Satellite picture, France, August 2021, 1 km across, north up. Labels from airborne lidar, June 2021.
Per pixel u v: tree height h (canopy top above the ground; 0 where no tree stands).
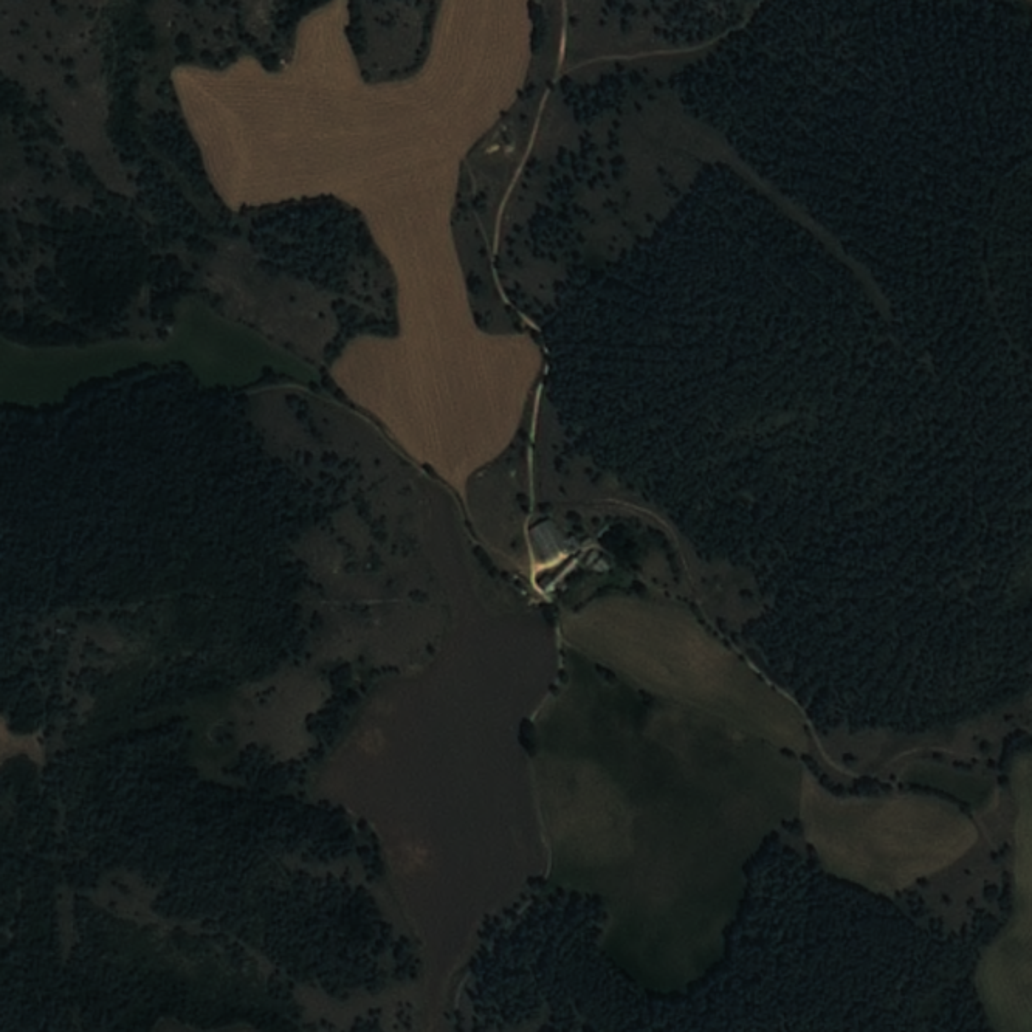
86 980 11
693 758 0
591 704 0
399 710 0
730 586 0
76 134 0
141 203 12
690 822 0
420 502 0
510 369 0
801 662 14
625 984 16
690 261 10
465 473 0
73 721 9
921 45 16
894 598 15
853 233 15
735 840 0
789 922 12
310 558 0
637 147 0
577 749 0
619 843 0
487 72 0
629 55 0
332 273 8
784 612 15
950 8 10
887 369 12
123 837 16
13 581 7
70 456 19
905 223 11
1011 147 17
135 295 13
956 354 14
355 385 0
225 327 0
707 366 15
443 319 0
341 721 17
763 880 10
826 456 14
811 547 16
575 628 0
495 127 0
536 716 0
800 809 0
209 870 10
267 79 0
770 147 8
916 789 10
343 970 12
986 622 14
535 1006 14
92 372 0
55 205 7
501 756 0
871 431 11
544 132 0
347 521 0
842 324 13
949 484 14
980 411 10
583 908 14
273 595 12
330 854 6
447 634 0
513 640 0
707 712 0
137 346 0
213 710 0
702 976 0
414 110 0
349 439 0
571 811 0
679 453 11
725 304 12
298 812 13
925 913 10
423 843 0
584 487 0
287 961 7
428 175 0
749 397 14
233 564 9
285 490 18
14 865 7
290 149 0
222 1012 5
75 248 8
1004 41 16
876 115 12
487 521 0
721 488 15
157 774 10
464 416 0
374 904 11
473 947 0
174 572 6
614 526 9
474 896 0
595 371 10
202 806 13
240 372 0
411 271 0
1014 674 12
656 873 0
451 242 0
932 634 13
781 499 16
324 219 17
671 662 0
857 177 13
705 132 0
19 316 11
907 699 13
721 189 12
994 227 9
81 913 10
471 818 0
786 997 15
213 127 0
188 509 15
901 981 13
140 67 7
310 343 0
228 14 0
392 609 0
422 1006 0
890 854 0
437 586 0
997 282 9
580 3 0
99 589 9
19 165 0
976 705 10
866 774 0
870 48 7
